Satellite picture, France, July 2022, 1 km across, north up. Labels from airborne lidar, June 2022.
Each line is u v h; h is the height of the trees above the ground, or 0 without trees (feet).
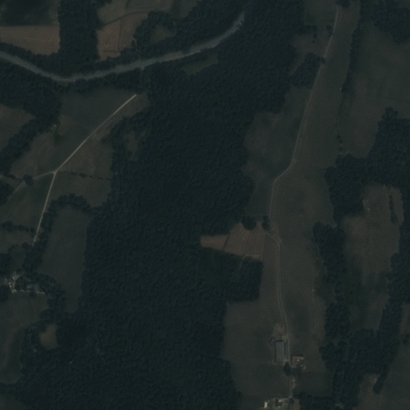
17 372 0
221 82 62
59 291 43
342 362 68
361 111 0
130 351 89
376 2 0
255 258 0
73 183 0
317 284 0
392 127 77
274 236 0
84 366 90
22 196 0
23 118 0
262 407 0
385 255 0
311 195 0
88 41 106
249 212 0
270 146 0
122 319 88
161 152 68
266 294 0
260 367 0
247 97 39
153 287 82
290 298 0
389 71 0
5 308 0
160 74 52
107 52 0
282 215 0
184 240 97
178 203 69
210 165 71
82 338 45
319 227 86
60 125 0
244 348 0
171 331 79
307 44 0
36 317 0
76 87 46
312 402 59
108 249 104
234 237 0
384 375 59
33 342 71
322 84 0
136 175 94
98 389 88
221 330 45
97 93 0
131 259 86
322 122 0
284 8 94
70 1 82
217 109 29
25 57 58
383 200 0
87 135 0
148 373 101
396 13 78
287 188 0
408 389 0
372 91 0
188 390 75
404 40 50
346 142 0
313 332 0
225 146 61
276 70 73
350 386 93
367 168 58
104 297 97
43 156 0
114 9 0
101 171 0
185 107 73
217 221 76
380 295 0
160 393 108
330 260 77
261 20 88
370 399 0
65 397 65
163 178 73
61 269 0
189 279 60
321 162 0
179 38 28
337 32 0
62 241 0
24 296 0
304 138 0
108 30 0
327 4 0
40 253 34
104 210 74
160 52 45
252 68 89
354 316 0
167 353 72
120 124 36
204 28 44
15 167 0
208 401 86
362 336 70
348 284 0
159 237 98
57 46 0
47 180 0
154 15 69
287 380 0
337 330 45
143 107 0
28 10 0
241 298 69
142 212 91
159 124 86
